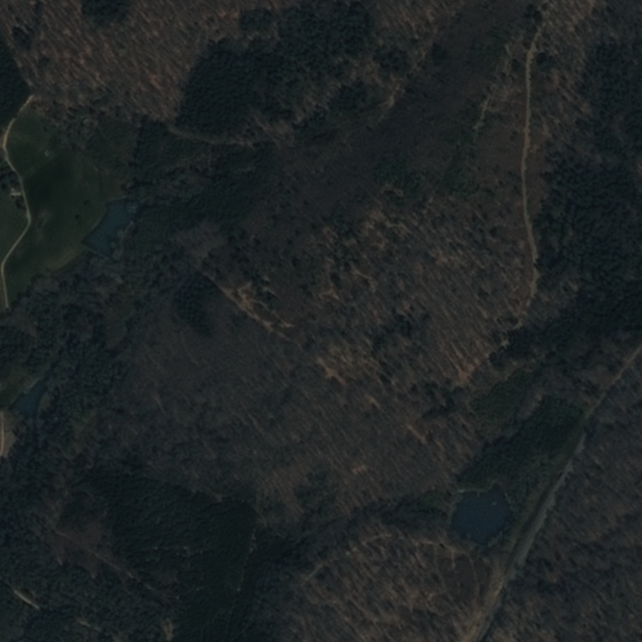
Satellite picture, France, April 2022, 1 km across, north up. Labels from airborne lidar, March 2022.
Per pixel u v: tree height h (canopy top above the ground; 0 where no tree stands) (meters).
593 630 27
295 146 10
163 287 25
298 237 12
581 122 16
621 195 21
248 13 6
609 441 28
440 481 28
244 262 11
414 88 7
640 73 20
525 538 0
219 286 11
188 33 18
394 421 32
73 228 0
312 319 7
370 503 27
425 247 29
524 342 30
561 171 15
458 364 30
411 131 8
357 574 29
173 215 13
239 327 31
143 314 30
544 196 6
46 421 8
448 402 31
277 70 13
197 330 30
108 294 24
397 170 11
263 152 11
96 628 30
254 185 11
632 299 14
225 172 12
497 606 0
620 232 26
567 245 33
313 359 26
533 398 24
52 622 32
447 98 10
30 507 9
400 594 0
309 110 23
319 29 24
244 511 12
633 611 30
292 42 23
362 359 29
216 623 12
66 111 9
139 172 20
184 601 11
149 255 12
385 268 26
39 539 31
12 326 25
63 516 11
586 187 31
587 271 25
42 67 8
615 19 29
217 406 28
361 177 7
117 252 16
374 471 24
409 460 32
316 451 30
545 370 22
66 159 0
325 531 28
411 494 23
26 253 0
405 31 24
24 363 18
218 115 35
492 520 0
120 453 28
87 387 28
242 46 23
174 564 11
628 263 26
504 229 6
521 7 7
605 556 30
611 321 19
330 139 7
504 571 0
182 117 23
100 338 17
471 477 25
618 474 26
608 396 0
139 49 21
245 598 12
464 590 10
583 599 29
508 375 26
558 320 28
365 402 30
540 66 10
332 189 9
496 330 28
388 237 7
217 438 25
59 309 24
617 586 29
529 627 34
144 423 22
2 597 32
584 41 27
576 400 26
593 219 33
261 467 25
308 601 28
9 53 19
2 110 21
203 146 11
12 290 0
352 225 9
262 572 11
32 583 29
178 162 9
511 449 21
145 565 9
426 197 7
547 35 30
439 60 11
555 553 30
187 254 23
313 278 6
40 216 0
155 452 7
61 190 0
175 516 7
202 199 21
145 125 17
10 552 26
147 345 30
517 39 8
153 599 8
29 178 0
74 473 35
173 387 24
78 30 22
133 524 12
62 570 21
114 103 25
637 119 22
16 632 21
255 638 13
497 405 10
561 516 27
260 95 21
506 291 28
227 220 26
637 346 14
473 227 29
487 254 28
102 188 0
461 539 20
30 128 0
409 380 29
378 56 20
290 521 28
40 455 13
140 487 9
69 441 26
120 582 6
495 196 7
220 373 25
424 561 34
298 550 22
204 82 32
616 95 28
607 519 27
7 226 0
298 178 10
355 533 23
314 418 29
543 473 6
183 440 31
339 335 24
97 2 11
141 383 29
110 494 16
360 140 8
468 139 8
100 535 12
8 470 34
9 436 0
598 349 14
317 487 31
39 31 25
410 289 25
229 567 7
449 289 27
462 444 30
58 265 0
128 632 30
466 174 10
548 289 7
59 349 27
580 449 0
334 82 17
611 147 29
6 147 0
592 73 22
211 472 28
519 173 9
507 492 9
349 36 25
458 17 8
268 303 7
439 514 18
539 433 20
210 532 10
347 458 28
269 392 31
